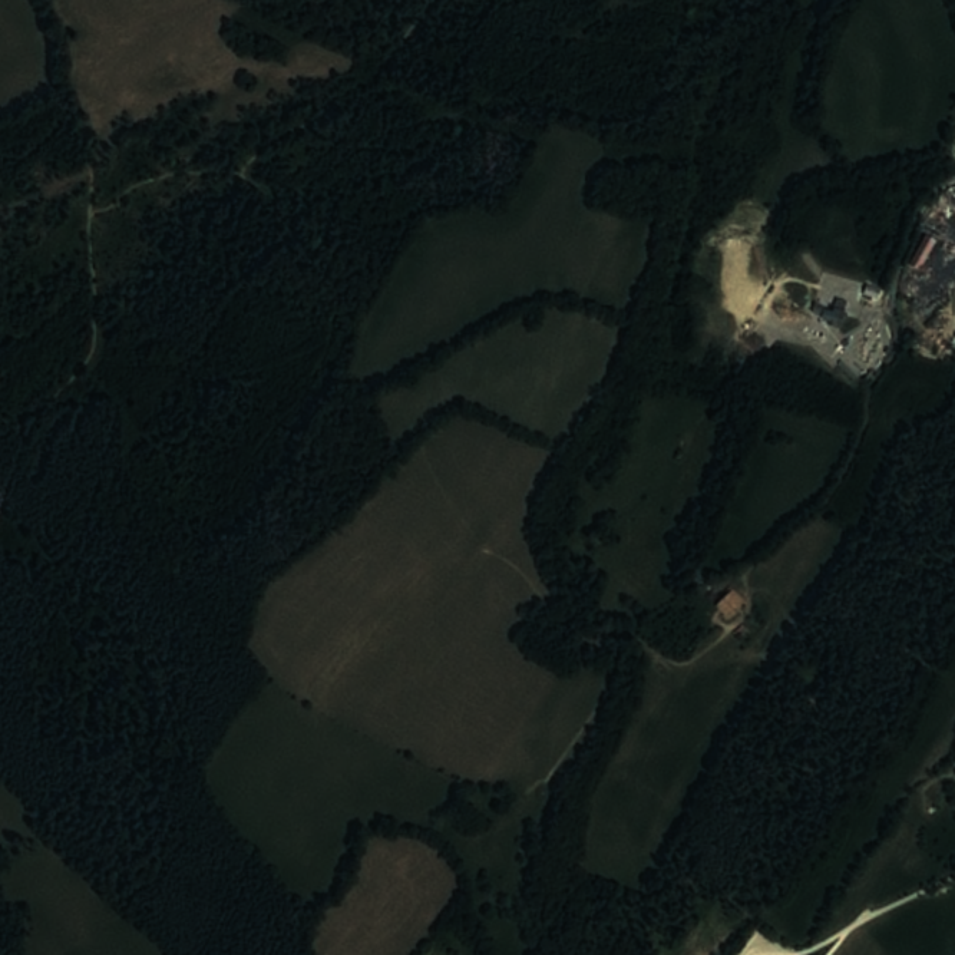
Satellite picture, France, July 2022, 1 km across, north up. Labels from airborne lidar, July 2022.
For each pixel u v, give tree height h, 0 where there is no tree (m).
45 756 22
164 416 12
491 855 0
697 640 8
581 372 0
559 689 0
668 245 26
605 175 23
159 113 14
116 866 35
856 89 0
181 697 24
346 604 0
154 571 18
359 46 26
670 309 23
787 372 9
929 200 15
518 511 0
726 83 13
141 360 11
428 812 0
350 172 10
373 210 11
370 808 0
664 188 23
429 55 11
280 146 27
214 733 23
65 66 20
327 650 0
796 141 0
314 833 0
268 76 0
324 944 0
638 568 0
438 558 0
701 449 0
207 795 19
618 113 9
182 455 13
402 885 0
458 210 16
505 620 0
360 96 11
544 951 27
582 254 0
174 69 0
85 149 15
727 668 0
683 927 17
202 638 23
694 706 0
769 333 0
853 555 25
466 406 20
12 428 13
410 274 0
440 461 0
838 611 33
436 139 8
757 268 0
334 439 30
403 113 12
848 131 0
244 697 19
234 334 6
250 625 13
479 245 0
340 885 18
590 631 25
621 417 16
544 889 29
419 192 14
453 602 0
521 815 0
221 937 24
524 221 0
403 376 21
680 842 21
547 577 19
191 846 22
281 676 0
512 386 0
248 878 26
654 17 8
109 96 0
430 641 0
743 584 0
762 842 15
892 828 24
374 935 0
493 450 0
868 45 0
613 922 32
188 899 24
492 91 9
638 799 0
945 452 22
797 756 30
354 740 0
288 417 6
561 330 0
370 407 19
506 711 0
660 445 0
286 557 17
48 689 9
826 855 9
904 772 0
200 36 0
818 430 0
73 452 26
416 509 0
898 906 0
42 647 17
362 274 22
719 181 15
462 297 0
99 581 25
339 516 26
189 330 25
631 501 0
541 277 0
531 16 7
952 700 0
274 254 31
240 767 0
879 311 0
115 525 18
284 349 8
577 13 9
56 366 13
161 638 21
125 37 0
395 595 0
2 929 23
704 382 9
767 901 20
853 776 30
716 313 0
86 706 10
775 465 0
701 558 19
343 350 9
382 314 0
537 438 15
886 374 7
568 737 0
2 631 26
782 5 26
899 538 10
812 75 20
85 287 16
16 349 16
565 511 23
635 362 23
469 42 12
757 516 0
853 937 0
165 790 34
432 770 0
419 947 9
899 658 34
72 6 0
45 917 0
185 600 21
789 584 0
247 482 6
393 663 0
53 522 17
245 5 14
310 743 0
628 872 0
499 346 0
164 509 6
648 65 11
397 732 0
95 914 0
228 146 26
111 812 35
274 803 0
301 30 20
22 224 8
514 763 0
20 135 12
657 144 24
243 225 29
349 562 0
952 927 0
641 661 21
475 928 16
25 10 0
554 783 11
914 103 0
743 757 32
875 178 23
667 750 0
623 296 0
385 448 25
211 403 24
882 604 36
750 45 32
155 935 22
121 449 26
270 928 24
